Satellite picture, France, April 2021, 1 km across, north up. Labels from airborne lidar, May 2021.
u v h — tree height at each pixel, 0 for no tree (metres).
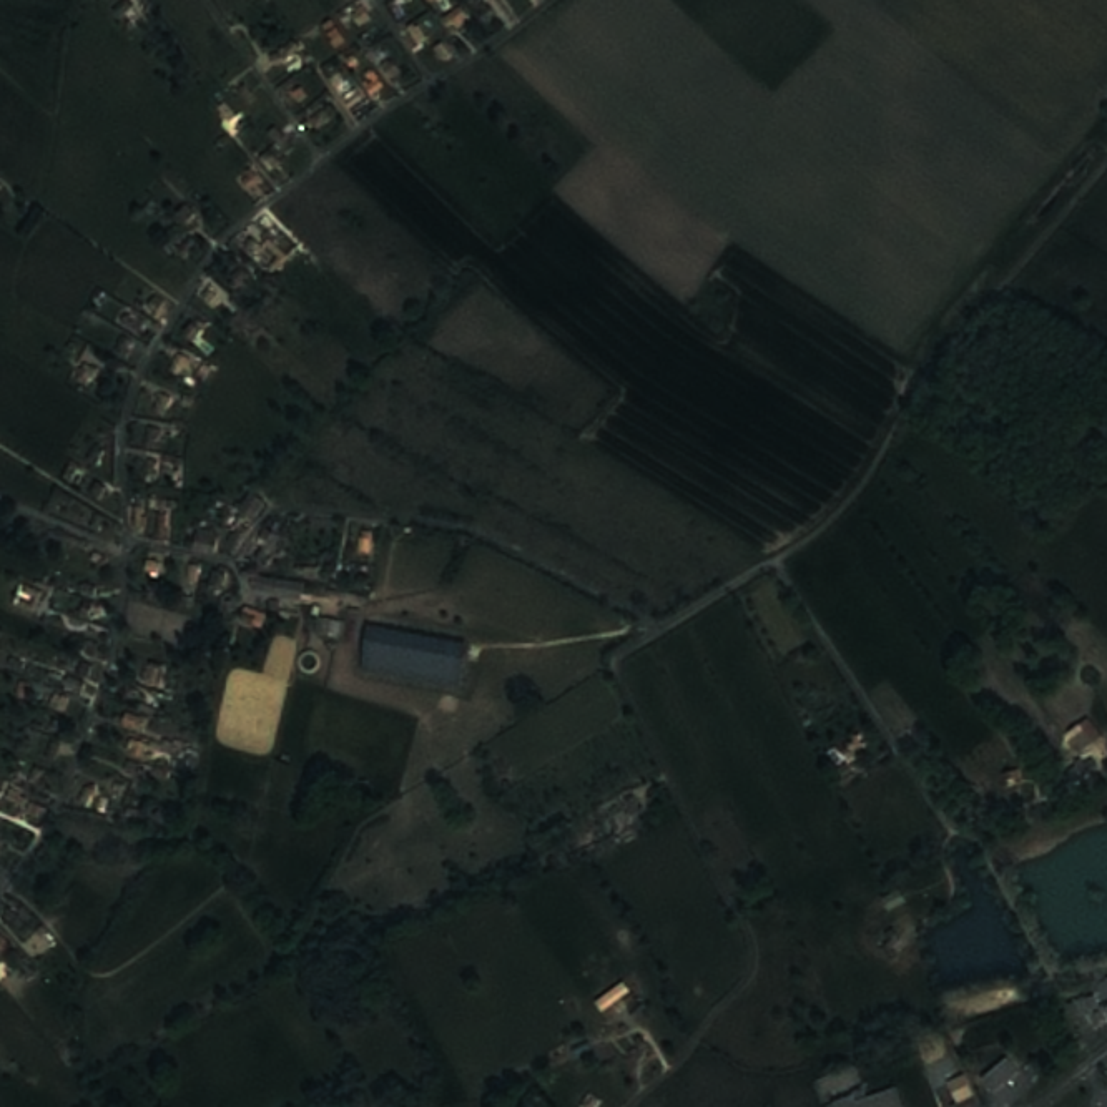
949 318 0
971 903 10
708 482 0
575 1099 0
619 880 0
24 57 0
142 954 0
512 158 0
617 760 9
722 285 0
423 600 0
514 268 0
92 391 9
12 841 6
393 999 23
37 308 0
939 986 13
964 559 0
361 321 0
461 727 0
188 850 19
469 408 0
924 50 0
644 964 0
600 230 0
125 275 0
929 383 17
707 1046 0
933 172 0
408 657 0
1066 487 24
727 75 0
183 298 0
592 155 0
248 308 6
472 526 0
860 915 0
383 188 0
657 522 0
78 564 0
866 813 0
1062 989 18
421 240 0
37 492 0
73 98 0
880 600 0
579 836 13
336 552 7
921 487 6
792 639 0
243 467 11
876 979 0
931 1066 0
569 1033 7
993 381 21
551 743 0
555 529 0
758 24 0
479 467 0
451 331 0
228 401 0
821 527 0
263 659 7
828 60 0
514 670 0
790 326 0
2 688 0
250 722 0
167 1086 24
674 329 0
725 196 0
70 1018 10
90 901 0
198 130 0
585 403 0
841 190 0
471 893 11
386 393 0
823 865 0
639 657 0
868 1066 13
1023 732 19
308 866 0
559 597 0
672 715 0
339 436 0
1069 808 20
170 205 8
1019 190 0
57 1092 0
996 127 0
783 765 0
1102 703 0
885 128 0
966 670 22
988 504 0
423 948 0
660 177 0
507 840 0
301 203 0
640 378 0
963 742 0
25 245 0
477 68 0
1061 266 0
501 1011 0
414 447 0
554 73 0
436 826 0
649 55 0
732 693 0
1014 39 0
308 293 0
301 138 0
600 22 0
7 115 0
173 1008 0
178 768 0
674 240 0
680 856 0
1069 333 20
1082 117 0
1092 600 0
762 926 0
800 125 0
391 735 0
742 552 0
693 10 0
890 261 0
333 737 0
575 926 0
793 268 0
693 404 0
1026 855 0
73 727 18
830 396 0
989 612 22
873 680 0
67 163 0
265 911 23
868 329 0
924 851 17
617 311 0
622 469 0
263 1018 0
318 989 19
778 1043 0
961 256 0
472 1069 0
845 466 0
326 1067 0
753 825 0
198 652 14
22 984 0
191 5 0
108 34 0
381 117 0
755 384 0
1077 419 25
